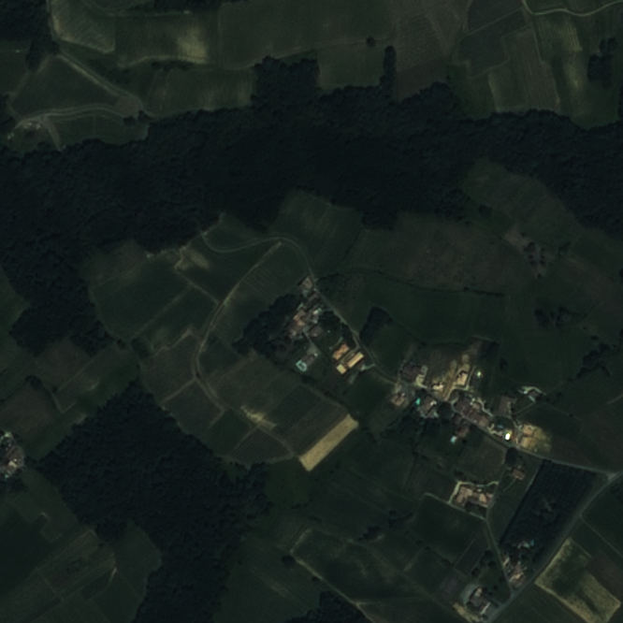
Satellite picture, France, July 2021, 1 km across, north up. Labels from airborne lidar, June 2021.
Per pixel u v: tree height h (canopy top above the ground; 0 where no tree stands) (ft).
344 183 52
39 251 74
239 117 70
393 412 0
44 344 50
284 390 0
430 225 0
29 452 0
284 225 0
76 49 0
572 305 0
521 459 19
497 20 0
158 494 62
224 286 0
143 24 0
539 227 0
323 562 0
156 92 0
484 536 0
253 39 0
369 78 0
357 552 0
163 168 46
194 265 0
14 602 0
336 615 76
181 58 0
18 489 41
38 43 66
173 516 56
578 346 0
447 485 0
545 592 0
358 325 0
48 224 72
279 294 0
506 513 0
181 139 88
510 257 0
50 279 85
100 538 37
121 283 0
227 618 0
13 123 36
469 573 0
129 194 71
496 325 0
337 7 0
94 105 0
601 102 0
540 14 0
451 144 89
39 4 34
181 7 57
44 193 67
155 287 0
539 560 30
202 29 0
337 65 0
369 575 0
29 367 0
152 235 52
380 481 0
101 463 68
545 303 0
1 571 0
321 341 0
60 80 0
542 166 55
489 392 0
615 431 0
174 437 84
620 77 0
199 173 75
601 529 0
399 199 45
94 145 62
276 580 0
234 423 0
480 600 0
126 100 0
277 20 0
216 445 0
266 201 30
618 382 0
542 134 74
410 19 0
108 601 0
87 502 84
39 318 57
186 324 0
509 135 62
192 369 0
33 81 0
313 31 0
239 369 0
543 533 36
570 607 0
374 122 70
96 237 21
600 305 0
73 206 75
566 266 0
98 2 0
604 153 53
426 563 0
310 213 0
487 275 0
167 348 0
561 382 0
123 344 33
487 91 0
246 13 0
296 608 0
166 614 86
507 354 0
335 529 0
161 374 0
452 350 0
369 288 0
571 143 78
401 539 0
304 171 40
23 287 60
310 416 0
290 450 0
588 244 0
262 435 0
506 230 0
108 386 0
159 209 64
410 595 0
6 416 0
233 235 0
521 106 0
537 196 0
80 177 69
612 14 0
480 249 0
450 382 0
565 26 0
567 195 38
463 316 0
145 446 82
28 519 0
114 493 77
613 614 0
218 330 0
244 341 25
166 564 50
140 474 66
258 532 0
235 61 0
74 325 83
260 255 0
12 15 72
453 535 0
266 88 53
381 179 34
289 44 0
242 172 75
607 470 0
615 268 0
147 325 0
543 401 44
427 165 59
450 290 0
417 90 0
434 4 0
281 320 45
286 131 51
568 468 26
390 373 0
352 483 0
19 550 0
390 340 0
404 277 0
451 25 0
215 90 0
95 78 0
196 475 69
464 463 0
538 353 0
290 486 0
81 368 0
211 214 60
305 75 84
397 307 0
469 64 0
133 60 0
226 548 46
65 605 0
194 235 33
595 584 0
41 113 0
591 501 0
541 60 0
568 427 0
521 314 0
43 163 73
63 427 0
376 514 0
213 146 54
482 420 0
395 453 0
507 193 0
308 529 0
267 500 58
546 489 41
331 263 0
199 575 63
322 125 41
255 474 58
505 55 0
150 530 51
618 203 63
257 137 52
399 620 0
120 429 78
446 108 40
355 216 0
